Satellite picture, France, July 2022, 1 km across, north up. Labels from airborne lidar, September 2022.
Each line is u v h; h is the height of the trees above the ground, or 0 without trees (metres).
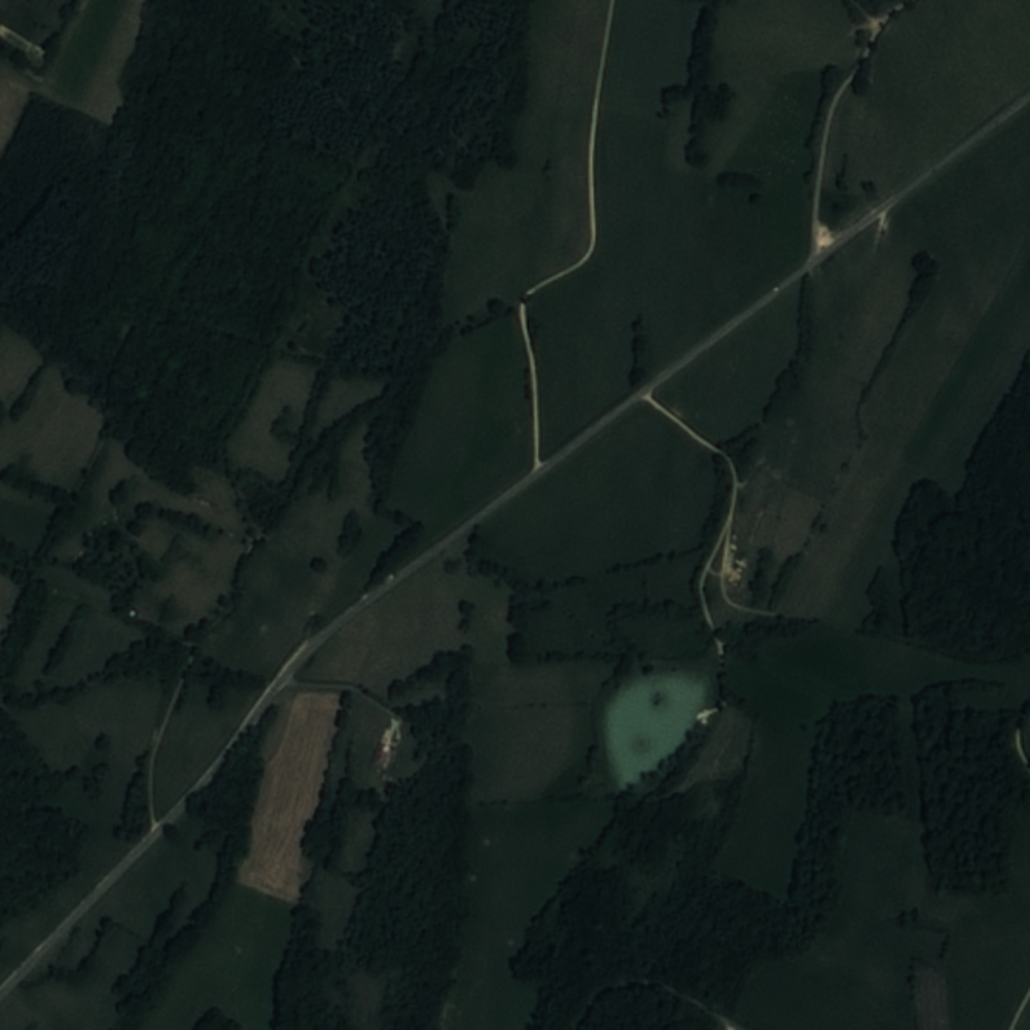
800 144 0
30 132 10
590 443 0
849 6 8
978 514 17
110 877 0
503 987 0
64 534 10
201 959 0
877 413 0
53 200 26
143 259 10
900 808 15
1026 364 7
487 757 0
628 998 22
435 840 12
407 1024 9
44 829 20
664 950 19
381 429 20
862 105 0
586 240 0
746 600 0
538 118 0
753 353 0
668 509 0
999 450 14
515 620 16
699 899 19
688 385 0
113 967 0
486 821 0
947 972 0
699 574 8
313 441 12
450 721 16
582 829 0
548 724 0
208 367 17
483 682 0
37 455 0
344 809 10
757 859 0
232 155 13
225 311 14
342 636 0
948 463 0
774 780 0
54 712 0
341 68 14
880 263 0
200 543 0
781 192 0
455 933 13
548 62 0
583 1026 16
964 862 18
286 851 0
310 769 0
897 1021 0
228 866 13
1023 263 0
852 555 0
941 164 0
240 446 0
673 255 0
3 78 0
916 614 12
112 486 0
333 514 0
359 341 15
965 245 0
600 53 0
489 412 0
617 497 0
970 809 19
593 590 0
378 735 0
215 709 14
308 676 0
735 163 0
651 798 5
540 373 0
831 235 0
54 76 0
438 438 0
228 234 16
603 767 0
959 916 0
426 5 0
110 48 0
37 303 12
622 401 0
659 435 0
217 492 0
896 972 0
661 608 8
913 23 0
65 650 10
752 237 0
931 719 16
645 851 9
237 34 17
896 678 0
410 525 12
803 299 7
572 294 0
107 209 9
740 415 0
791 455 0
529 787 0
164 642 14
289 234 15
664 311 0
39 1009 0
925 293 11
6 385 0
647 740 0
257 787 13
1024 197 0
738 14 0
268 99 14
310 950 14
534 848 0
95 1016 0
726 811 6
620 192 0
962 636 13
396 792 17
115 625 0
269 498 6
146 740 0
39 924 0
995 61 0
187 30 13
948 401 0
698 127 11
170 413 15
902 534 16
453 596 0
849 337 0
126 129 15
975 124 0
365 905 14
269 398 0
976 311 0
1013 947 0
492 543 0
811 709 0
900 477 0
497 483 0
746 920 23
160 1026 0
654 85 0
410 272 16
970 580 16
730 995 14
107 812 0
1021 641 8
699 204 0
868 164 0
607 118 0
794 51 0
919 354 0
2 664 14
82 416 0
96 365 18
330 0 15
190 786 0
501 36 14
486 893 0
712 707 0
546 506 0
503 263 0
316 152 15
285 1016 19
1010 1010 0
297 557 0
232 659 0
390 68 17
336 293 12
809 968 0
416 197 9
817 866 17
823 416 0
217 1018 15
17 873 20
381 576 14
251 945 0
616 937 7
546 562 0
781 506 0
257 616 0
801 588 0
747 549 0
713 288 0
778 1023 0
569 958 13
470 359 0
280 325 15
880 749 9
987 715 9
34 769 16
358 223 10
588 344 0
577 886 11
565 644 0
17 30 0
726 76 0
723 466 16
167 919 16
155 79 8
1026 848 0
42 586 13
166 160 15
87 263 9
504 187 0
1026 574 17
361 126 15
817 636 0
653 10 0
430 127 16
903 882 0
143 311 13
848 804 16
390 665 0
